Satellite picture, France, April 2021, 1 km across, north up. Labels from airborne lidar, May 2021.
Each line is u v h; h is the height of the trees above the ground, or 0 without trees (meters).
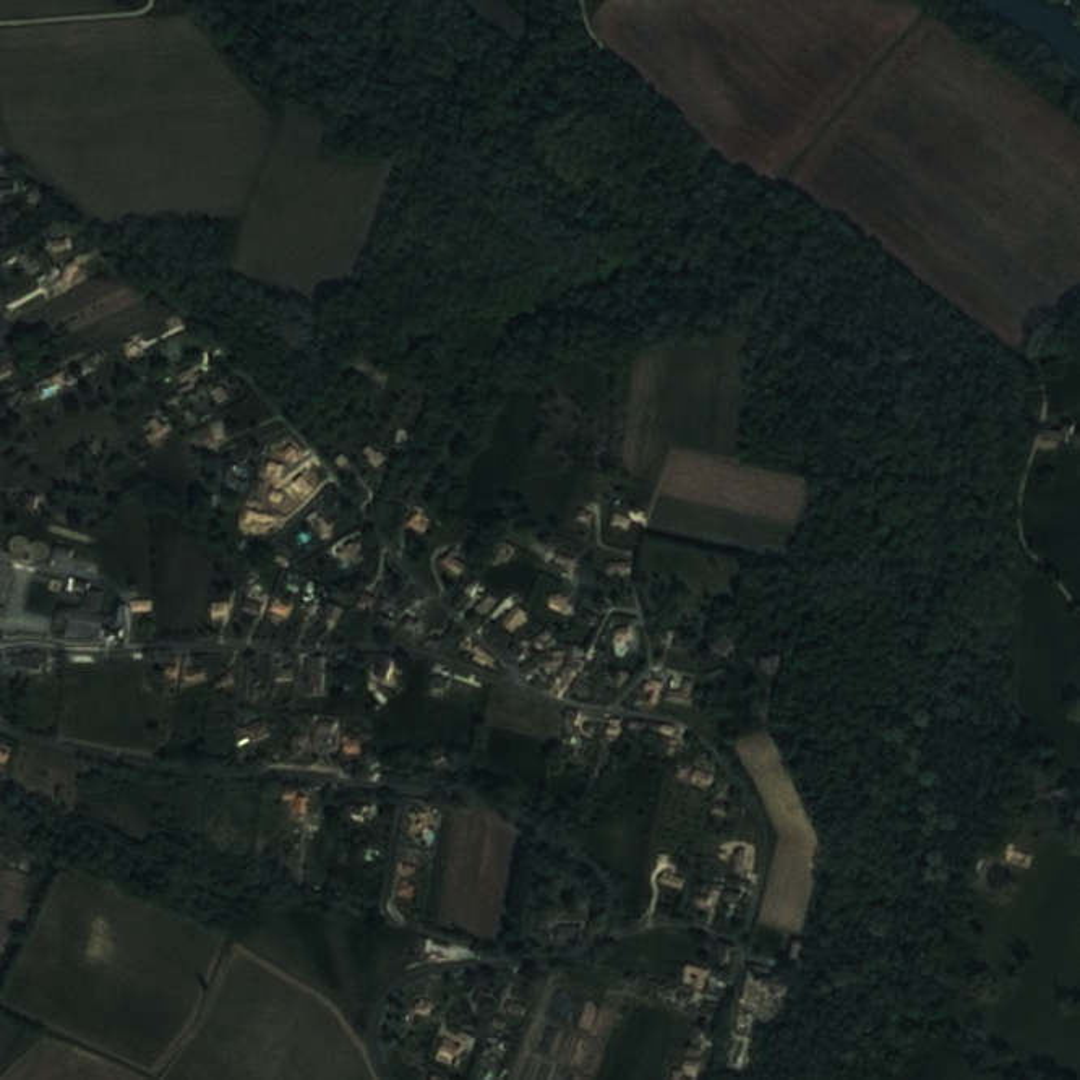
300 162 0
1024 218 0
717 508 0
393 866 0
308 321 23
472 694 0
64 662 11
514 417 0
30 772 0
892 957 23
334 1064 0
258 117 0
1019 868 0
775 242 24
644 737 11
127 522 0
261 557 15
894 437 21
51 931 0
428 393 7
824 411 17
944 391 19
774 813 0
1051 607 0
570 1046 0
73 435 0
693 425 0
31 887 0
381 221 11
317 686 0
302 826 0
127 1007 0
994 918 0
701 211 24
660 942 0
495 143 25
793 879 0
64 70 0
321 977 0
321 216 0
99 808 0
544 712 0
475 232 18
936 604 20
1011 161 0
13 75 0
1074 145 0
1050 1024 0
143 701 0
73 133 0
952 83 0
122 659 0
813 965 23
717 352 0
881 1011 20
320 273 0
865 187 0
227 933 14
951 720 19
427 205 17
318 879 0
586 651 8
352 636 0
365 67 19
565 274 20
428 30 22
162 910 13
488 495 0
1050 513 0
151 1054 0
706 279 24
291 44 25
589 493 0
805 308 26
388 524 11
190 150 0
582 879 19
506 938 11
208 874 15
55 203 13
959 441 23
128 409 8
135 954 0
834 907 20
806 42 0
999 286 0
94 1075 0
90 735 0
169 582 0
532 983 6
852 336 21
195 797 0
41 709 0
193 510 16
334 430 13
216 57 0
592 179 13
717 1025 13
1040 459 0
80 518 11
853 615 18
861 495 26
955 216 0
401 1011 12
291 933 0
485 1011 17
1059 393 0
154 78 0
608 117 30
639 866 0
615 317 19
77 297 0
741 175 17
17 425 11
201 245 17
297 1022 0
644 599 7
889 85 0
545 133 28
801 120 0
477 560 14
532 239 17
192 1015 0
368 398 7
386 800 14
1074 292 0
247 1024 0
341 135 11
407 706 0
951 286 0
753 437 10
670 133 22
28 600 0
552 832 24
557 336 23
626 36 0
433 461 6
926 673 26
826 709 21
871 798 22
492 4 0
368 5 23
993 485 23
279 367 17
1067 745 0
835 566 29
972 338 13
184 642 16
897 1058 23
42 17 0
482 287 16
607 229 23
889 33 0
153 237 17
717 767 7
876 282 19
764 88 0
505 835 0
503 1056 0
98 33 0
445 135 23
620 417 11
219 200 0
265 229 0
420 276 15
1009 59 20
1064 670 0
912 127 0
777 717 14
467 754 18
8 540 0
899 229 0
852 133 0
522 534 14
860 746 22
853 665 23
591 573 16
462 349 23
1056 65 17
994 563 22
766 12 0
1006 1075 8
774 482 0
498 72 25
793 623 21
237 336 12
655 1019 0
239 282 21
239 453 0
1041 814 24
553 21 13
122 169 0
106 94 0
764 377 16
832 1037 20
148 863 9
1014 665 8
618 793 7
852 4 0
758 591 15
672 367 0
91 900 0
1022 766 17
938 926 28
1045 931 0
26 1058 0
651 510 0
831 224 17
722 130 0
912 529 22
